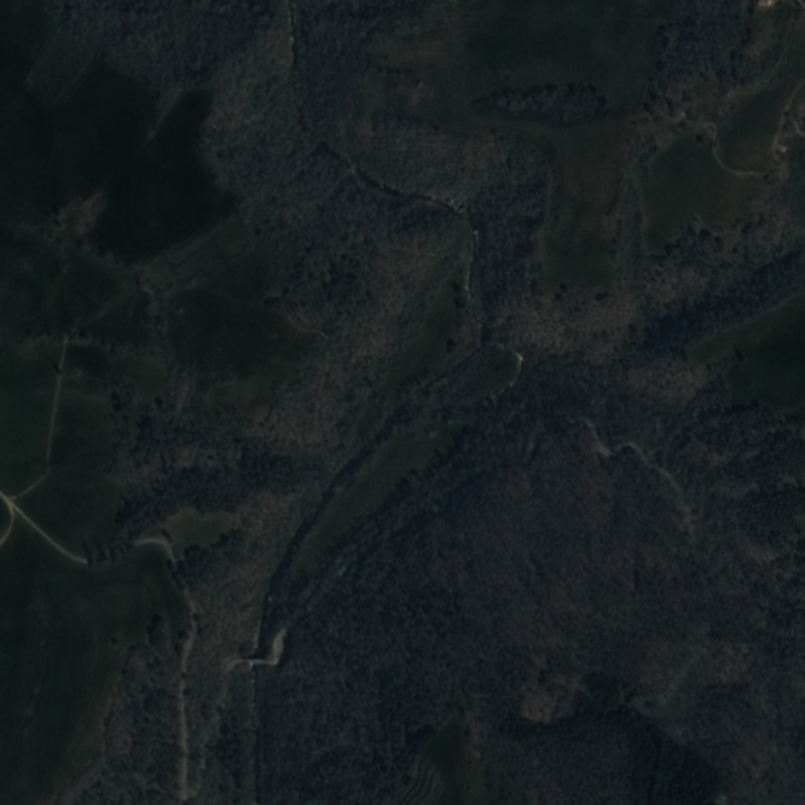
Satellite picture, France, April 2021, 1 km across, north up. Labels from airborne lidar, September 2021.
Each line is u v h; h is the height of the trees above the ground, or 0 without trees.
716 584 18
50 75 12
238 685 16
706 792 24
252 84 9
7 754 0
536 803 13
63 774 0
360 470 20
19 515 0
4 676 0
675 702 16
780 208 9
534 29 0
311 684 7
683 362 12
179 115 0
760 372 0
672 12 0
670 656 18
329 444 9
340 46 10
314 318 14
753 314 13
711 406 9
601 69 0
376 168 10
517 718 17
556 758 19
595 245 0
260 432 8
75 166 0
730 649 17
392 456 0
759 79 8
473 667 12
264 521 10
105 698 0
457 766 0
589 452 14
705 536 10
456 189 12
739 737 16
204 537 0
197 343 0
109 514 0
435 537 9
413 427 23
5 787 0
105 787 13
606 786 18
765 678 23
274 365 0
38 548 0
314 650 9
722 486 14
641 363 8
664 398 7
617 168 0
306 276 12
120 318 0
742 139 0
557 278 0
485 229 15
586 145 0
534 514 22
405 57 0
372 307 11
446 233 7
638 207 12
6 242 0
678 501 14
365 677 7
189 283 8
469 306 17
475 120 0
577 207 0
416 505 17
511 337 8
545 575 18
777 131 0
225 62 8
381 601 9
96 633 0
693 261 17
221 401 0
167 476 18
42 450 0
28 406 0
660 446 14
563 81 0
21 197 0
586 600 17
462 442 10
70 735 0
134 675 12
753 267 26
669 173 0
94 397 0
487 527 17
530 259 12
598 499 17
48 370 0
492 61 0
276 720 18
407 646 13
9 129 0
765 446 21
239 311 0
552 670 10
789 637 15
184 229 0
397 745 14
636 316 7
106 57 13
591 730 20
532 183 7
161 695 13
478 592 20
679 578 18
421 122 9
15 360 0
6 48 0
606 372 17
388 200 14
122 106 0
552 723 9
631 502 16
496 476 16
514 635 20
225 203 0
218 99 13
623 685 11
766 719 16
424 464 0
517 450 22
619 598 14
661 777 24
